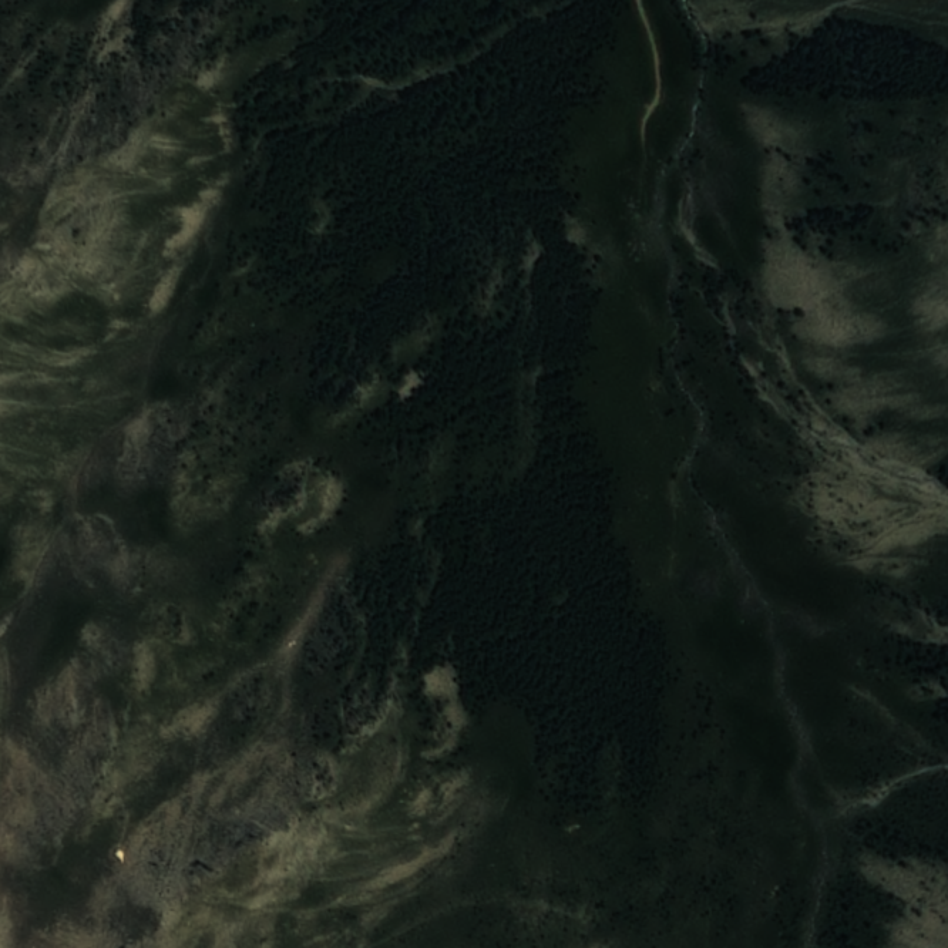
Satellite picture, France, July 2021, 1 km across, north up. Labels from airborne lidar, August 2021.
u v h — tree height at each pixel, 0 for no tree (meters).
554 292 16
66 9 0
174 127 0
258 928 0
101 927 0
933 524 0
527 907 0
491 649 11
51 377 0
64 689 0
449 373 9
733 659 0
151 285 0
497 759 0
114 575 0
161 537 0
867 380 0
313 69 8
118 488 0
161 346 0
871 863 0
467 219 10
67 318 0
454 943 0
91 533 0
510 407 11
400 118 15
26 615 0
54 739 0
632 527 0
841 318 0
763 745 0
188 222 0
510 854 0
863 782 6
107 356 0
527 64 12
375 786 0
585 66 12
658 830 0
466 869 0
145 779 0
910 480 0
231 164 0
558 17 11
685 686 0
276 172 11
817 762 0
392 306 11
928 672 9
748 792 0
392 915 0
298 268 7
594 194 0
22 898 0
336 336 11
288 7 0
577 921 0
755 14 7
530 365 13
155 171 0
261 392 0
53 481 0
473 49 15
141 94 0
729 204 0
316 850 0
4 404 0
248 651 0
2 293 0
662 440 0
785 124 0
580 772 6
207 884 0
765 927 0
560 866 0
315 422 0
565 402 9
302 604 0
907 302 0
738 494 0
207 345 0
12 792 0
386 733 0
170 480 0
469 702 11
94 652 0
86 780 0
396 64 21
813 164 14
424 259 10
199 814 0
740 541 0
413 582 10
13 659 0
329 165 7
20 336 0
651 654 11
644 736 16
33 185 0
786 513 0
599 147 0
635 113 0
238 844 0
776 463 0
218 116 0
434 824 0
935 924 0
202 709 0
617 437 0
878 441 0
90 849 0
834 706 0
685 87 0
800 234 7
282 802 0
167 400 0
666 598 0
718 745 0
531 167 10
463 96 8
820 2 0
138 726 0
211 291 0
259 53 0
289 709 0
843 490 0
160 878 0
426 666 11
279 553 0
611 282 0
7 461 0
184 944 0
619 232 0
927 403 0
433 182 13
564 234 13
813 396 0
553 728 9
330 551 0
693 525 0
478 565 8
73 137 0
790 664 0
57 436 0
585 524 14
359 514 0
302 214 6
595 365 0
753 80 11
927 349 0
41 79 7
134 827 0
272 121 12
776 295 0
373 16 19
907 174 0
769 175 0
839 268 0
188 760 0
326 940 0
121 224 0
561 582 11
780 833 0
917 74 15
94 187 0
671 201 0
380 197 11
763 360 0
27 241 0
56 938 0
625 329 0
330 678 0
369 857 0
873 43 19
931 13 0
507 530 11
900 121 0
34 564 0
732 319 0
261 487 0
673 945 0
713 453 0
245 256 6
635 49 0
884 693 0
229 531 0
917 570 0
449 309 0
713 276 10
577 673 12
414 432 7
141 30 9
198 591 0
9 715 0
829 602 0
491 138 9
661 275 0
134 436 0
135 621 0
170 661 0
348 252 10
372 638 10
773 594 0
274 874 0
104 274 0
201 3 10
